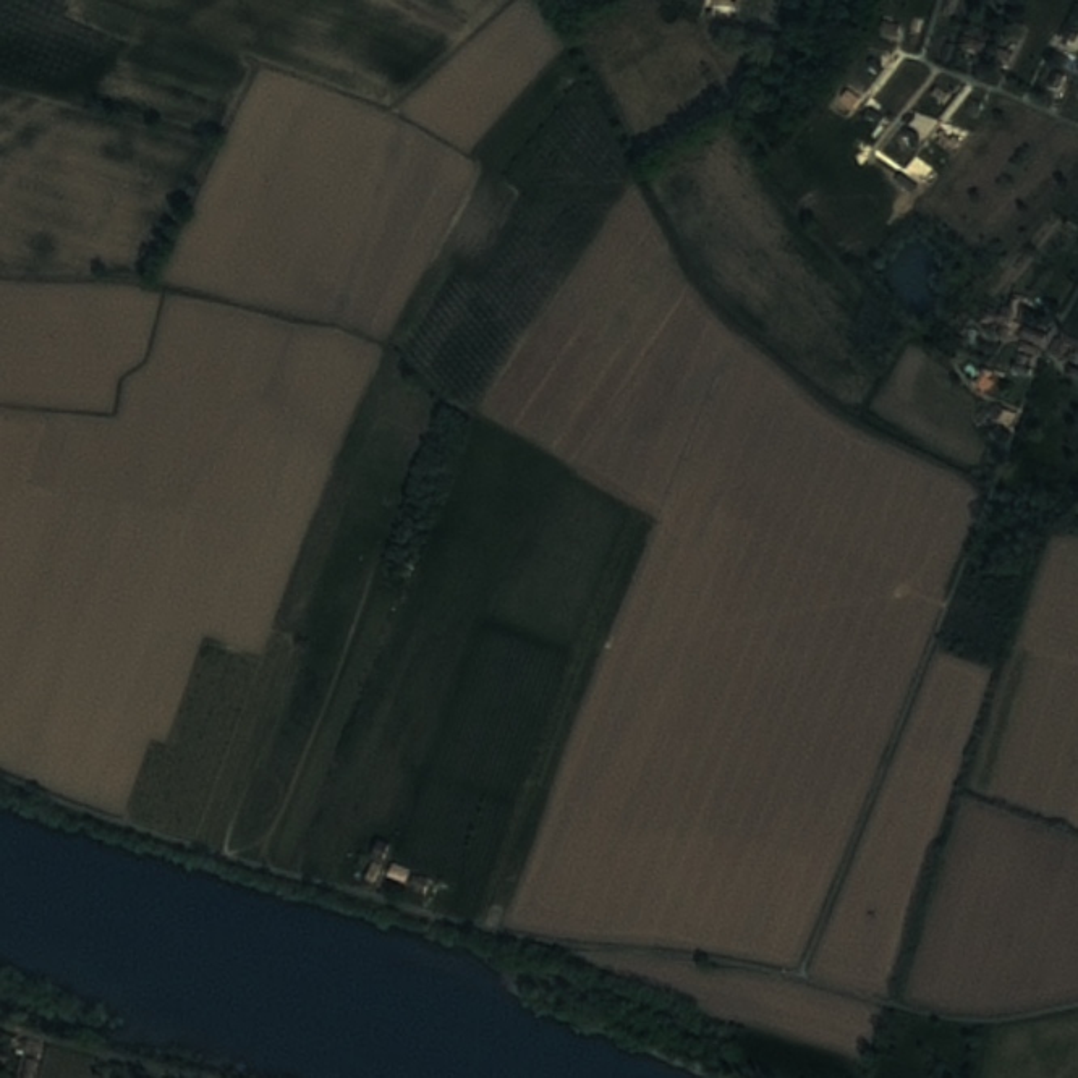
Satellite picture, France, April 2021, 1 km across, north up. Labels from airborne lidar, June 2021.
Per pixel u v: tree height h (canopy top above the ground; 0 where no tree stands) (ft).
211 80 0
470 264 0
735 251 0
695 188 0
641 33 0
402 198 0
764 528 0
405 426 0
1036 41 0
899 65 0
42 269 0
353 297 0
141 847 41
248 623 0
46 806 66
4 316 0
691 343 0
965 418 0
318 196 0
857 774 0
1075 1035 0
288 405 0
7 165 0
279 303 0
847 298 0
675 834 0
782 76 66
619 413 0
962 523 0
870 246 0
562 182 28
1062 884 0
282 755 0
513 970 25
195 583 0
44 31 75
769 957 0
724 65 0
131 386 0
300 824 0
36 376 0
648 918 0
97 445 0
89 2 0
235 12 0
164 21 0
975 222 0
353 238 0
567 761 0
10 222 0
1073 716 0
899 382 0
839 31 102
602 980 42
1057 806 0
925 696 0
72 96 0
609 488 0
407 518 33
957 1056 0
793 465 0
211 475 0
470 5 0
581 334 0
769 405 0
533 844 0
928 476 0
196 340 0
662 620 0
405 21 0
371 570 0
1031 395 28
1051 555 0
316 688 0
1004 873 0
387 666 0
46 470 0
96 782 0
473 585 0
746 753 0
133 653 0
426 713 0
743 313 0
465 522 0
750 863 0
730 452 0
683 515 0
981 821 0
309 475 0
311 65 0
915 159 0
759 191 0
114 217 0
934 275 70
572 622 0
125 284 0
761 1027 0
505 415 0
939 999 0
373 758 0
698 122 77
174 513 0
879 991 0
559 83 0
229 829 0
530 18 0
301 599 0
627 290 0
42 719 0
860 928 0
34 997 55
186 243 0
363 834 0
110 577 0
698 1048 37
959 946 0
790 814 0
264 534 0
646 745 0
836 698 0
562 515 0
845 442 0
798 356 0
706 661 0
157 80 0
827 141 0
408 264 0
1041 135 0
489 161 0
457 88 0
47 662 0
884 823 0
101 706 0
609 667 0
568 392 0
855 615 0
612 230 0
